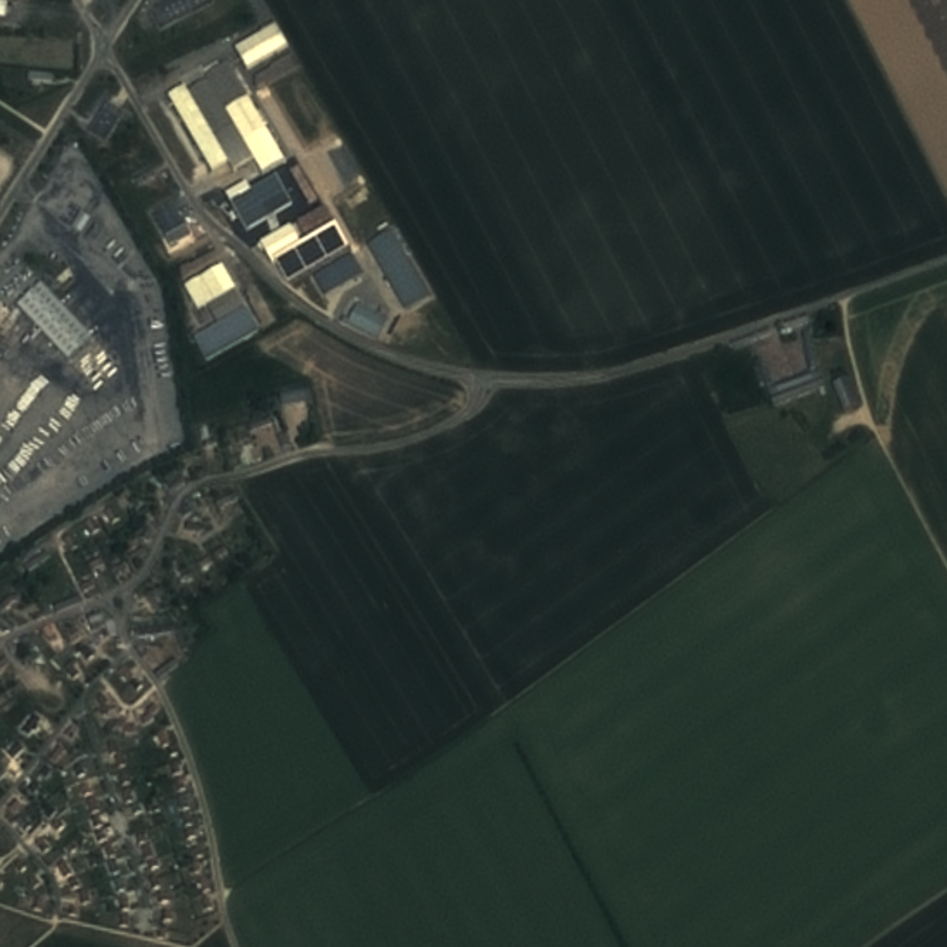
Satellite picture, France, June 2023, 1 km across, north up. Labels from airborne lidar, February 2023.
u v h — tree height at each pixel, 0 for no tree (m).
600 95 0
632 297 0
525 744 0
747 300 0
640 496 0
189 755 0
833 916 0
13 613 0
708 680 0
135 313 0
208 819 0
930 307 0
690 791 0
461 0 0
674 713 0
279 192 0
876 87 0
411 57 0
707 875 0
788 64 0
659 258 0
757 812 0
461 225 0
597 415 0
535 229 0
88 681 8
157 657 0
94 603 0
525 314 0
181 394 7
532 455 0
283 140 0
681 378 0
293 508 0
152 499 7
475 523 0
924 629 0
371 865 0
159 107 0
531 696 0
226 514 0
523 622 0
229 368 0
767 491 0
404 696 0
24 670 0
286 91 0
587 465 0
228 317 0
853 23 0
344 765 0
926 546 0
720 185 0
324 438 0
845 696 0
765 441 0
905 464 0
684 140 0
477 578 0
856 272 0
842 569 0
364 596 0
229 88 0
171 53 0
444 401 0
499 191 0
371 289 0
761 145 0
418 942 0
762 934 0
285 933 0
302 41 0
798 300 0
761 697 0
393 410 0
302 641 0
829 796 0
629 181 0
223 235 0
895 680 0
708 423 0
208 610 0
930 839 0
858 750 0
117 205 9
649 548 0
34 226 0
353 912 0
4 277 0
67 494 0
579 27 0
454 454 0
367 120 0
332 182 0
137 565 11
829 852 0
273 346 0
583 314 0
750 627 0
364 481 0
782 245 0
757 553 0
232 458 0
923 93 0
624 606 0
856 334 0
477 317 0
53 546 0
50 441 0
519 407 0
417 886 0
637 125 0
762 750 0
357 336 0
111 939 0
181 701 0
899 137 0
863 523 0
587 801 0
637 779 0
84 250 0
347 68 0
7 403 0
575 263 0
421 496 0
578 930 0
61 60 0
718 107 0
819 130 0
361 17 0
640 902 0
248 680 0
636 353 0
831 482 0
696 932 0
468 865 0
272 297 0
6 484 0
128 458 0
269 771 0
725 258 0
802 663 0
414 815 0
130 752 0
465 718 0
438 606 0
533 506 0
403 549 0
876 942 0
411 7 0
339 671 0
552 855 0
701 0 0
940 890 0
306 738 0
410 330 0
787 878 0
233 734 0
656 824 0
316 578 0
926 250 0
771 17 0
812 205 0
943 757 0
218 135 0
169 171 0
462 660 0
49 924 0
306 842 0
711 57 0
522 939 0
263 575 0
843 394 0
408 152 0
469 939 0
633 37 0
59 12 0
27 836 0
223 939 0
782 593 0
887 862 0
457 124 0
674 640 0
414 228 0
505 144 0
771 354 0
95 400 0
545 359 0
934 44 0
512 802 0
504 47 0
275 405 13
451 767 0
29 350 0
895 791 0
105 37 0
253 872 0
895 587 0
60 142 7
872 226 0
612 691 0
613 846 0
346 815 0
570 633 0
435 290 0
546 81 0
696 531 0
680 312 0
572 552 0
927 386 0
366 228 0
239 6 0
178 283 0
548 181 0
